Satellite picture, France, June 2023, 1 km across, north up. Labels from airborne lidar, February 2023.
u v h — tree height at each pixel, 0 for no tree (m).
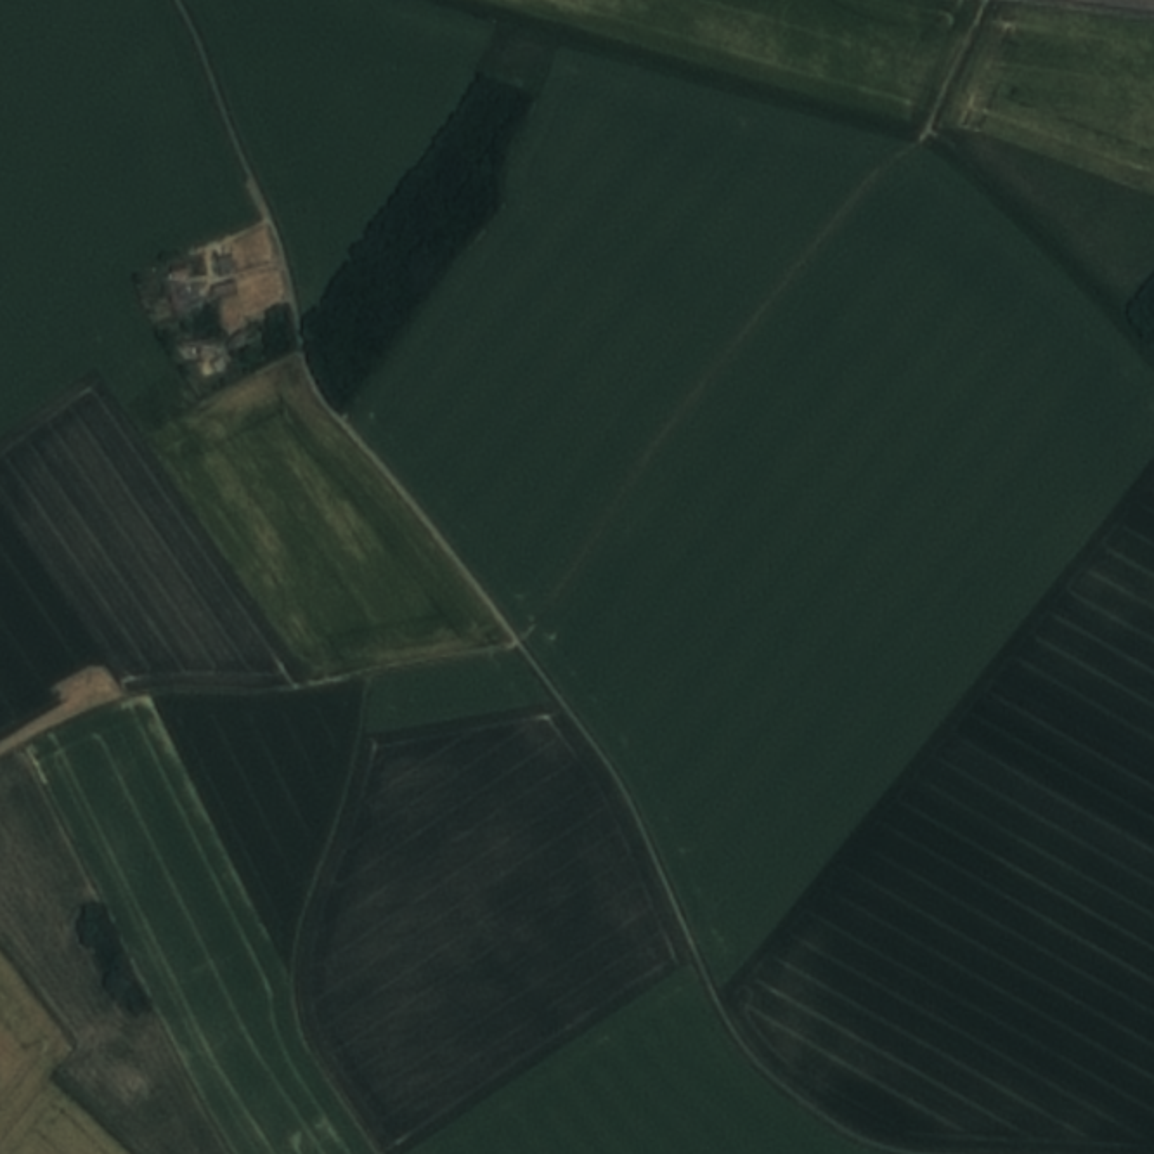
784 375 0
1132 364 0
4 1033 0
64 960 0
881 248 0
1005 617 0
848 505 0
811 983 0
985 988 0
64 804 0
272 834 0
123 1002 14
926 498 0
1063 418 0
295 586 0
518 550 0
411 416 0
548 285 0
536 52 0
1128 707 0
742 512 0
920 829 0
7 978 0
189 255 0
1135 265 0
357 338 9
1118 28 0
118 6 0
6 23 0
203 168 0
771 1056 0
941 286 0
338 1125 0
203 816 0
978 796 0
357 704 0
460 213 15
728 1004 0
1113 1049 0
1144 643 0
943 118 0
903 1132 0
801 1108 0
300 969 0
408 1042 0
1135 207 0
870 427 0
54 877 0
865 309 0
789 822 0
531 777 0
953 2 0
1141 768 0
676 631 0
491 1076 0
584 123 0
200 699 0
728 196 0
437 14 0
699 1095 0
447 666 0
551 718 0
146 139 0
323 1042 0
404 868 0
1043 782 0
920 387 0
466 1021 0
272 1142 0
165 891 0
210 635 0
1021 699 0
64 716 0
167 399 0
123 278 0
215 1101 0
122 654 0
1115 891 0
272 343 8
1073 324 0
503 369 0
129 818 0
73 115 0
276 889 0
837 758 0
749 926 0
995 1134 0
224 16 0
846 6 0
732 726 0
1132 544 0
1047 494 0
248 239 0
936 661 0
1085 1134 0
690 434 0
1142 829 0
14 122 0
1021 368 0
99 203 0
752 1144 0
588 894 0
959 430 0
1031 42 0
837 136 0
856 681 0
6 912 0
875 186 0
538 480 0
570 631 0
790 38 0
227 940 0
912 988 0
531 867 0
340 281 12
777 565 0
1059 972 0
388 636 0
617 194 0
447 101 0
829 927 0
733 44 0
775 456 0
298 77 0
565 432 0
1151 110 0
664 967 0
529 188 0
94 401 0
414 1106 0
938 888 0
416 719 0
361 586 0
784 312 0
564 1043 0
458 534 0
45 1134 0
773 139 0
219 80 0
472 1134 0
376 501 0
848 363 0
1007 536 0
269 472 0
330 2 0
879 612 0
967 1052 0
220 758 0
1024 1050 0
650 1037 0
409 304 11
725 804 0
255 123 0
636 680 0
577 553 0
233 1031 0
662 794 0
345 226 0
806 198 0
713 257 0
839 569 0
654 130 0
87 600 0
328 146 0
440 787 0
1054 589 0
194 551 0
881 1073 0
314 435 0
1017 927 0
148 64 0
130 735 0
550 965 0
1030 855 0
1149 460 0
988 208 0
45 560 0
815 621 0
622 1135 0
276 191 0
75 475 0
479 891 0
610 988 0
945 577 0
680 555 0
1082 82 0
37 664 0
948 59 0
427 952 0
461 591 0
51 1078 0
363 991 0
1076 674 0
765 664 0
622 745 0
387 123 0
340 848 0
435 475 0
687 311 0
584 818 0
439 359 0
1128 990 0
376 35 0
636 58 0
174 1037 0
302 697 0
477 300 0
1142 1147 0
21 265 0
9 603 0
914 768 0
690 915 0
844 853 0
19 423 0
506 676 0
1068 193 0
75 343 0
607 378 0
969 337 0
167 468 0
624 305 0
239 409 0
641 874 0
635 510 0
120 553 0
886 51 0
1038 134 0
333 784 0
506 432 0
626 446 0
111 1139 0
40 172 0
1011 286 0
